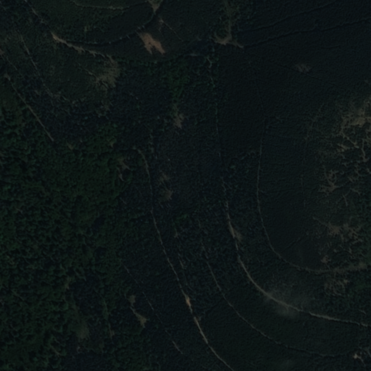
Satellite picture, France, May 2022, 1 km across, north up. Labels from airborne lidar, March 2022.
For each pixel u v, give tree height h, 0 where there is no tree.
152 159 22
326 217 6
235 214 8
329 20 19
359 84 10
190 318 24
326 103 8
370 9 20
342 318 14
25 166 29
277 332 12
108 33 10
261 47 16
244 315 13
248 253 29
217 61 20
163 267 19
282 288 12
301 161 8
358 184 9
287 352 15
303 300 9
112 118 31
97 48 17
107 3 6
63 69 6
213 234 11
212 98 23
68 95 9
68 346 24
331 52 13
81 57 8
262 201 7
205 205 20
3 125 22
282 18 16
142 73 25
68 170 27
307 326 17
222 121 20
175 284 28
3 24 27
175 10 16
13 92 12
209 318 15
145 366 24
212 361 15
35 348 7
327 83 13
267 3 24
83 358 25
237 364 14
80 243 6
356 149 6
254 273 8
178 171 23
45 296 35
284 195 8
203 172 22
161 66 24
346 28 18
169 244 26
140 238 26
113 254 26
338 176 8
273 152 10
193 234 30
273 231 7
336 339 16
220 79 19
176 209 27
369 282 22
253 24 12
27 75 6
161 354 25
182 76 20
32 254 35
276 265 12
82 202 28
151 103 21
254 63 17
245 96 15
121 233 27
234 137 18
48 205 36
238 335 15
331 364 17
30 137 31
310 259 7
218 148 21
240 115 18
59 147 25
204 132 21
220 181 24
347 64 12
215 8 12
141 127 26
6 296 33
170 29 19
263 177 7
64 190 32
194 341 19
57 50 6
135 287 23
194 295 28
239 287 11
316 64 13
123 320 21
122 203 29
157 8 0
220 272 29
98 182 30
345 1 19
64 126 27
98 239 35
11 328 22
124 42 21
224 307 12
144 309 25
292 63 14
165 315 22
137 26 11
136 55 16
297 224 7
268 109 16
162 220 20
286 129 8
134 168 25
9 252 18
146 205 25
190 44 19
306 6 19
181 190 25
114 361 27
